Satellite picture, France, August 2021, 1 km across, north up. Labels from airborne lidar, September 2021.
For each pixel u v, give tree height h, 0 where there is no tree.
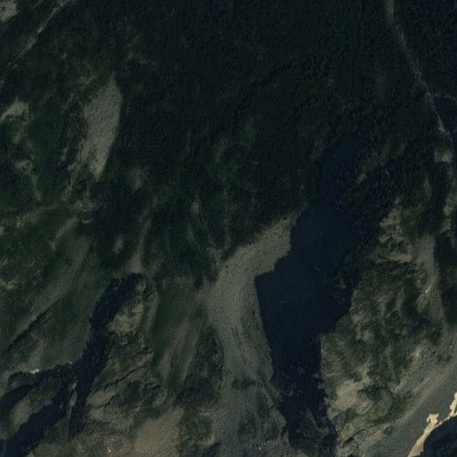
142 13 6
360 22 6
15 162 0
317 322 0
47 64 0
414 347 0
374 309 0
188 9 7
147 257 0
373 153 11
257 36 6
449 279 0
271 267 0
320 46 7
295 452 0
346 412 0
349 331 0
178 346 0
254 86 7
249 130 0
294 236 0
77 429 0
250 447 0
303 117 14
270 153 6
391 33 6
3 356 0
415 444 0
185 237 0
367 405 0
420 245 0
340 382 0
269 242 0
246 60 7
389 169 13
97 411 0
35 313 0
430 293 0
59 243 0
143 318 0
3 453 0
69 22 6
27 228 0
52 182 0
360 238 10
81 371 0
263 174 5
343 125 10
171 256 0
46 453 0
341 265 7
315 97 12
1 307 0
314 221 0
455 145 0
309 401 0
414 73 6
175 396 0
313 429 0
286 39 8
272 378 0
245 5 11
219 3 5
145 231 0
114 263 6
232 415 0
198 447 0
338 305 0
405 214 0
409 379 0
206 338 0
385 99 0
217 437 0
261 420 0
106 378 0
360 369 0
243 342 0
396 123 6
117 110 0
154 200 0
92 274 0
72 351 0
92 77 0
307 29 7
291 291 0
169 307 0
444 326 0
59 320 0
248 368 0
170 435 0
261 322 0
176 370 0
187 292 0
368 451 0
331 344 0
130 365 0
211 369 0
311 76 11
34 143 0
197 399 0
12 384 0
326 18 5
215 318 0
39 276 0
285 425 0
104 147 0
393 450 0
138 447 0
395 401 0
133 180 0
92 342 0
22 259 0
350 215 6
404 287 0
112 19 7
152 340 0
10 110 0
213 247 0
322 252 11
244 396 0
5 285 0
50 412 0
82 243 0
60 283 0
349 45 6
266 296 0
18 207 0
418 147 6
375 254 0
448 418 0
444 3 16
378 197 14
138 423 0
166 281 0
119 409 0
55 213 0
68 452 0
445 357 0
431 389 0
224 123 7
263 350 0
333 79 6
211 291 0
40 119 0
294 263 0
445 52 8
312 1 7
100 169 0
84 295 0
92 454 0
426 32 8
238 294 0
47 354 0
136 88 0
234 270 0
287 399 0
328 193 6
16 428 0
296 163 6
